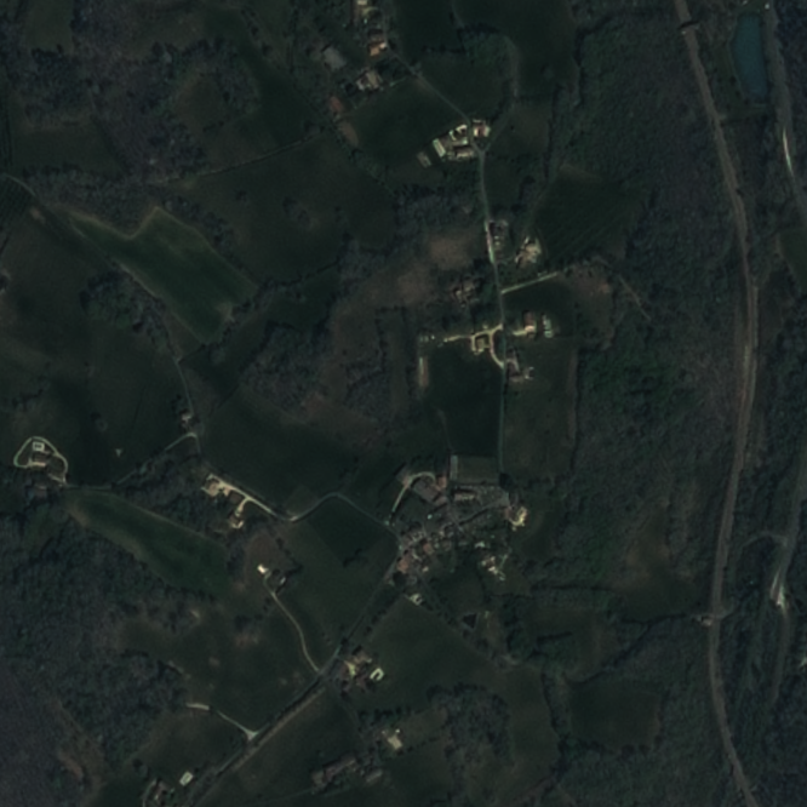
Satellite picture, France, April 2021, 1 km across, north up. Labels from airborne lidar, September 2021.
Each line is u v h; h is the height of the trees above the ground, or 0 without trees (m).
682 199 18
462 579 0
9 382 0
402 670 0
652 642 14
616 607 7
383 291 0
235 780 0
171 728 0
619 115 20
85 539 16
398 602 11
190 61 16
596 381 22
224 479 14
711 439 22
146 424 0
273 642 0
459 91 0
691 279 23
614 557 17
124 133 12
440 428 0
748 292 9
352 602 0
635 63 18
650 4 24
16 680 15
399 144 0
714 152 20
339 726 0
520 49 0
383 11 14
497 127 15
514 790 0
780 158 35
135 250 0
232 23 0
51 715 21
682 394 19
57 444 0
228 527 0
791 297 9
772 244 19
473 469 0
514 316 0
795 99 11
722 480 12
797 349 23
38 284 0
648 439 17
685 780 19
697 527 13
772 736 22
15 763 23
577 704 0
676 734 24
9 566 17
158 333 16
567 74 0
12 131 17
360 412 9
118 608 13
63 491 6
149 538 0
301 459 0
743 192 10
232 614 0
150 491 12
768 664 17
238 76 21
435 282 0
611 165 17
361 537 0
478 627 0
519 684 0
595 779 24
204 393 0
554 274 14
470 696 18
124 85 18
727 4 8
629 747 0
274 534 15
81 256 0
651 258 21
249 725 0
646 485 14
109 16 19
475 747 25
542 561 0
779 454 18
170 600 15
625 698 0
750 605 33
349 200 0
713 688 11
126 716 14
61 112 26
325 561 0
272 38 0
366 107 0
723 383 17
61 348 0
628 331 17
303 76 10
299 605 0
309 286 0
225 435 0
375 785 0
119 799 0
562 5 0
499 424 0
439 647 0
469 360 0
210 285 0
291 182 0
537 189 23
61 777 18
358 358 0
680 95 19
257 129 0
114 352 0
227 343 7
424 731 0
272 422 0
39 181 16
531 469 0
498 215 16
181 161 11
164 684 20
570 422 0
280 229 0
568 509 11
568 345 0
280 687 0
